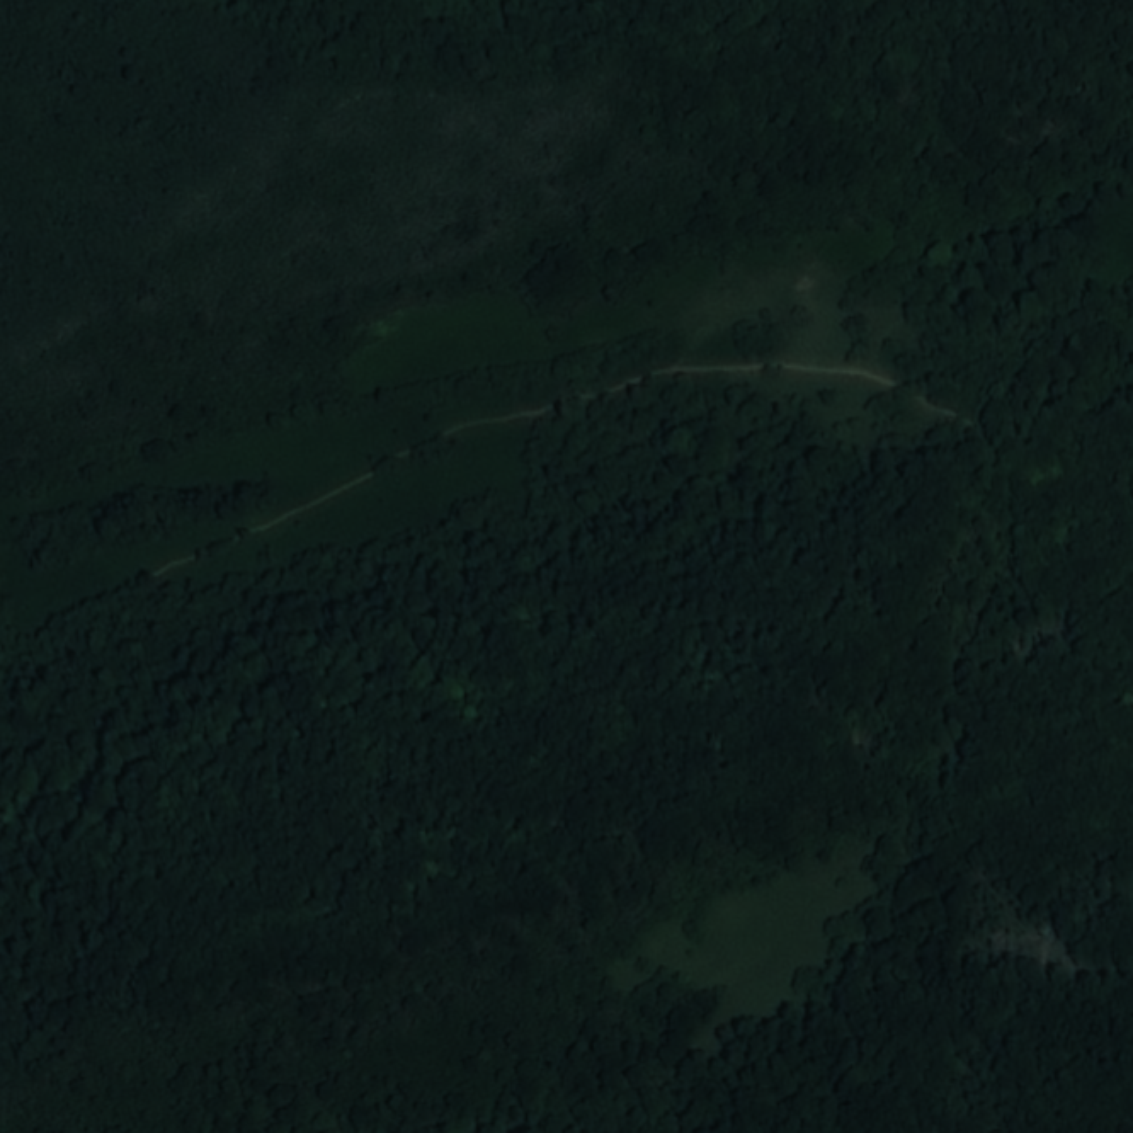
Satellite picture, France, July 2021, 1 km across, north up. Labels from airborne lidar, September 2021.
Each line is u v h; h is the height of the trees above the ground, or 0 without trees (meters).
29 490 9
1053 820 25
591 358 14
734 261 9
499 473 0
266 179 7
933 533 20
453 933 15
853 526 22
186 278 7
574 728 23
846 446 10
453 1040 11
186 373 10
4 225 6
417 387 9
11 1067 20
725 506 24
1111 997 22
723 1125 18
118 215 6
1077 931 17
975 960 13
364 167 6
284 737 26
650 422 10
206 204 6
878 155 22
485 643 20
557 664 19
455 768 26
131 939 21
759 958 0
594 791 19
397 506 0
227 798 30
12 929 10
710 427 12
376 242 6
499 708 23
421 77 11
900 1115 24
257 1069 17
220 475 0
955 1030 22
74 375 6
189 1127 20
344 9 13
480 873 20
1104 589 28
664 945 0
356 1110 17
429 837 21
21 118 6
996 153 32
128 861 26
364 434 0
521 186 10
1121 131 20
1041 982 19
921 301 8
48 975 22
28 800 17
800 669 19
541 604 23
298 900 26
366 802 26
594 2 16
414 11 8
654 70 23
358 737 32
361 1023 22
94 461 9
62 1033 7
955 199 11
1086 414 27
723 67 24
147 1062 14
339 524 0
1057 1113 19
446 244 12
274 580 11
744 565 20
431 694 24
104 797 28
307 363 11
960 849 26
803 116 24
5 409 6
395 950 8
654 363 6
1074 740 23
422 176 6
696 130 22
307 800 24
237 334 10
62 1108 10
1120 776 26
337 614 26
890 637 24
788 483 8
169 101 6
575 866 12
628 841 15
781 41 20
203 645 16
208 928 22
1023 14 23
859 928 9
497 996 19
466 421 0
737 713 19
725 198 10
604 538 25
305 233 6
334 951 21
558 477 12
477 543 24
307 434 0
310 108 6
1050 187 11
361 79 8
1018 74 19
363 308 11
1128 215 0
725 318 0
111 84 6
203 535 0
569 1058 22
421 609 19
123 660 12
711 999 18
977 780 31
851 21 22
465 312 0
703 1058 23
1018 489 19
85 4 6
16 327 6
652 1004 12
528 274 11
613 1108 23
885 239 0
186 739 29
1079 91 8
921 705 28
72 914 20
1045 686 22
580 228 11
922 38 14
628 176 7
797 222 12
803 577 22
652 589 20
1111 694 27
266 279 6
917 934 16
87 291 6
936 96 14
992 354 9
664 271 10
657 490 13
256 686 14
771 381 0
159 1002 19
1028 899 20
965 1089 8
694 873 11
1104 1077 17
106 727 11
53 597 0
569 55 19
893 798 29
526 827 21
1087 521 31
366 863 20
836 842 11
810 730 24
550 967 11
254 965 19
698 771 19
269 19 13
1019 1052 21
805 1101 22
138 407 16
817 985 10
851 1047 21
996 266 9
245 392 10
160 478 0
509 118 6
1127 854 21
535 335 0
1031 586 24
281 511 0
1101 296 21
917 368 10
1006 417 30
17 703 18
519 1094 25
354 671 27
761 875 10
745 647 17
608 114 9
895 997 26
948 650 21
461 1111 28
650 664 17
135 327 7
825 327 0
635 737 21
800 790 15
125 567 0
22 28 7
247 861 29
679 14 10
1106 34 13
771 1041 26
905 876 11
